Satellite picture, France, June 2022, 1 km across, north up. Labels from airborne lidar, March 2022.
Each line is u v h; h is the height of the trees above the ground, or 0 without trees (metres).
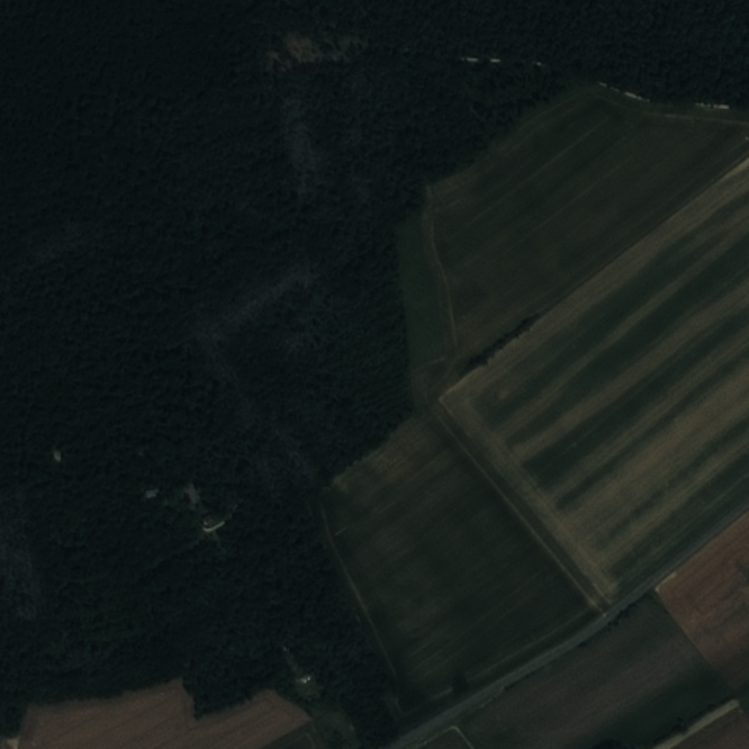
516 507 0
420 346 0
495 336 0
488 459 0
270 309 22
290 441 19
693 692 0
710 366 0
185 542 23
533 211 0
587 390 0
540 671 0
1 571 10
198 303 18
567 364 0
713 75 18
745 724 0
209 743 0
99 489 20
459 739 0
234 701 21
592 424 0
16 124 15
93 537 25
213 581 21
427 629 0
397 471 0
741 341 0
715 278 0
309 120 16
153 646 20
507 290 0
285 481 24
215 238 20
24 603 23
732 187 0
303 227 21
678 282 0
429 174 15
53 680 20
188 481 14
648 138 0
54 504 16
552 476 0
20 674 19
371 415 18
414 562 0
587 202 0
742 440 0
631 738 0
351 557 0
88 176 24
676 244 0
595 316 0
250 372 25
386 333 6
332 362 6
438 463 0
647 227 0
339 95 15
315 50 0
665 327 0
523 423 0
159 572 21
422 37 14
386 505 0
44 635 17
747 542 0
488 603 0
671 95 17
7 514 8
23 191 22
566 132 0
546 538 0
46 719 0
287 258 13
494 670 0
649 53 17
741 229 0
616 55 13
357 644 17
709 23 17
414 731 0
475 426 0
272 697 0
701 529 0
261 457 26
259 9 23
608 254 0
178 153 25
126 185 19
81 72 20
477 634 0
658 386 0
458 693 0
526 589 0
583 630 0
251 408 25
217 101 20
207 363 23
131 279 12
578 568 0
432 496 0
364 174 20
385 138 18
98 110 27
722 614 0
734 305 0
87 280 9
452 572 0
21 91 17
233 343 20
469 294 0
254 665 16
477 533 0
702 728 0
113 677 19
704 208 0
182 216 23
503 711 0
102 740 0
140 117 20
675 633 0
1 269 17
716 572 0
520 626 0
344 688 12
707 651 0
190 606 20
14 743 0
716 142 0
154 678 17
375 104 19
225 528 6
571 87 0
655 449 0
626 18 21
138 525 27
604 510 0
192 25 21
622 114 0
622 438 0
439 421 0
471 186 0
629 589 0
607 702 0
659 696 0
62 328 15
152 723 0
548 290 0
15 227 21
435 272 0
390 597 0
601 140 0
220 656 15
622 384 0
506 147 0
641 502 0
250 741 0
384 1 20
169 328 14
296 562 25
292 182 20
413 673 0
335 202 18
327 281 20
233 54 20
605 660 0
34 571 18
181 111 24
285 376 23
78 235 19
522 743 0
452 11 21
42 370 23
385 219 14
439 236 0
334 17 24
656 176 0
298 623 19
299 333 17
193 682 20
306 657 24
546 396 0
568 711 0
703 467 0
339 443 16
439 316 0
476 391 0
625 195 0
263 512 22
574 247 0
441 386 0
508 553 0
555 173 0
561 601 0
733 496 0
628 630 0
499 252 0
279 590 21
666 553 0
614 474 0
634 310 0
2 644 13
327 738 0
